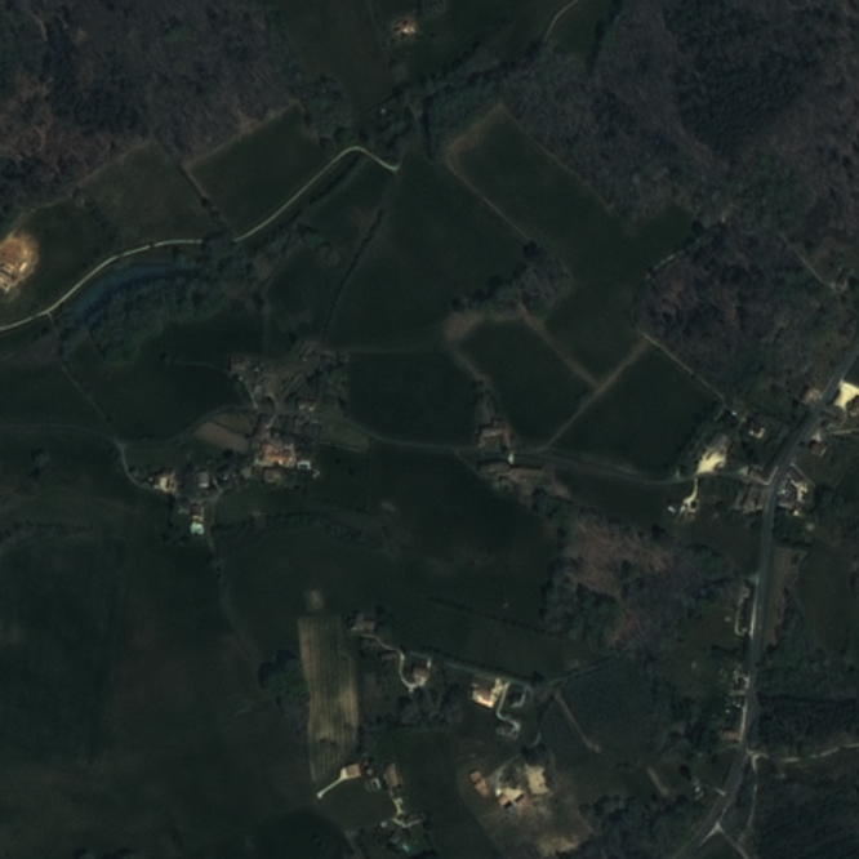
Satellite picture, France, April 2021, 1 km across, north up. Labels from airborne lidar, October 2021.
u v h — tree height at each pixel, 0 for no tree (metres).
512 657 0
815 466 0
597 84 21
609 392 0
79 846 0
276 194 0
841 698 11
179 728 0
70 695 0
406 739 0
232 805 0
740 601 17
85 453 0
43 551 0
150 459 0
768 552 0
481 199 0
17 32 19
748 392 15
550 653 0
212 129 18
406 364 0
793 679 15
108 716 0
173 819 0
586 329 0
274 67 20
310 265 0
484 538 0
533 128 18
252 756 0
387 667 9
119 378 0
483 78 10
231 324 0
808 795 19
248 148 0
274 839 0
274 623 0
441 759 0
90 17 15
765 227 18
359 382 0
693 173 17
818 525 10
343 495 0
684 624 7
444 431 0
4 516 0
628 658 16
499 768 0
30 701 0
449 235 0
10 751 0
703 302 7
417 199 0
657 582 16
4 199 12
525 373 0
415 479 0
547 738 13
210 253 17
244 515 0
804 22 12
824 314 12
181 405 0
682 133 17
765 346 16
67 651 0
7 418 0
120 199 0
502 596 0
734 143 25
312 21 0
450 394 0
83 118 25
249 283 17
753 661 0
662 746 15
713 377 25
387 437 0
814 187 10
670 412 0
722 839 16
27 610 0
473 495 0
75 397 0
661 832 22
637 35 24
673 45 14
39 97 11
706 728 9
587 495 0
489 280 0
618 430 0
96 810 0
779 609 6
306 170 0
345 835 0
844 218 12
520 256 0
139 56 13
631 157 17
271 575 0
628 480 0
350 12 0
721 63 7
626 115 24
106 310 17
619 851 19
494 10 0
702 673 0
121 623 0
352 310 0
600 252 0
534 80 19
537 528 0
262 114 16
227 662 0
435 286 0
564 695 16
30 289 0
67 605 0
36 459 13
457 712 19
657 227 0
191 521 0
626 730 17
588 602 27
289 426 6
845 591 0
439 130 19
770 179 15
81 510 0
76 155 10
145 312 23
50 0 14
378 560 0
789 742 18
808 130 15
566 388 0
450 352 0
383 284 0
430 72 0
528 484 0
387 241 0
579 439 0
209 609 0
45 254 0
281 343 0
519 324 0
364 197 0
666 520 0
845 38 18
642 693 18
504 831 0
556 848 0
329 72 0
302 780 0
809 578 0
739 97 28
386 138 19
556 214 0
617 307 0
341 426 0
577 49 0
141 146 18
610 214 0
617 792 0
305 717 12
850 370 0
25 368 0
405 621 0
